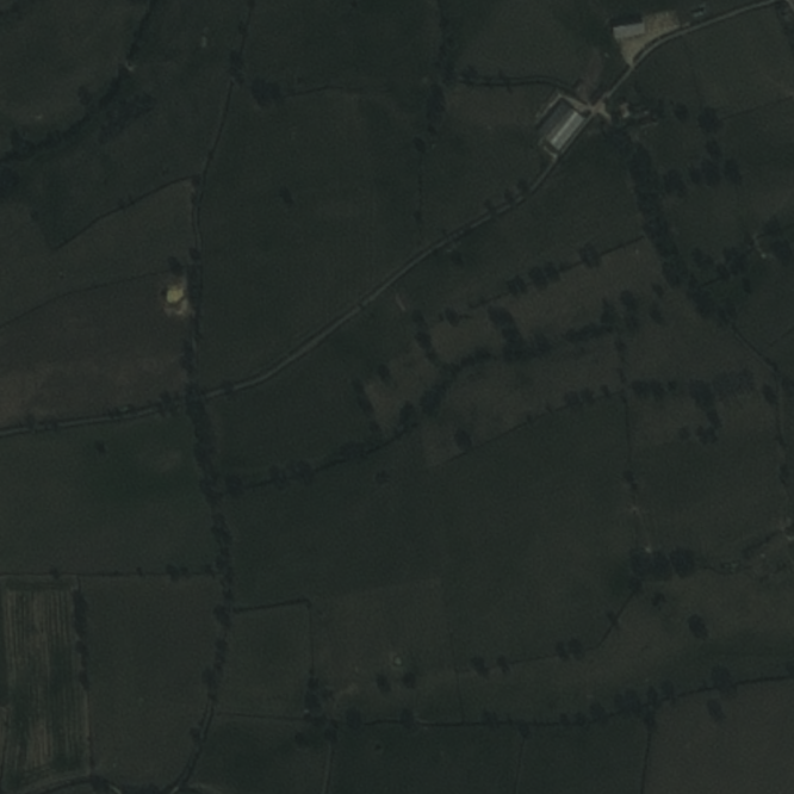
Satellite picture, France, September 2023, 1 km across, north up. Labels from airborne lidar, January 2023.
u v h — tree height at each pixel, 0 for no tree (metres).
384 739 0
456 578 0
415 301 0
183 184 0
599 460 0
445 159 0
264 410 0
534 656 0
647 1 0
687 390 0
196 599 0
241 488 16
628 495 0
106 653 0
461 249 0
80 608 15
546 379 0
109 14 0
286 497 0
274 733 0
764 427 0
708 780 0
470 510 0
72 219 0
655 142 0
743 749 0
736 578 0
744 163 0
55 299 0
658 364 0
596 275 0
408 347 0
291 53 0
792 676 15
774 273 0
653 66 0
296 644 0
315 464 0
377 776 0
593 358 0
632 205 0
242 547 0
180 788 8
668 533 0
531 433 0
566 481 0
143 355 0
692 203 0
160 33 0
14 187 15
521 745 0
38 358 0
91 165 0
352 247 0
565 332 0
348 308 0
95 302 0
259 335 0
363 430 0
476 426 0
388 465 0
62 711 0
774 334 0
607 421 0
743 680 0
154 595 0
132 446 0
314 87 0
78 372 0
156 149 0
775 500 0
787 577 0
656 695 13
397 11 0
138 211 0
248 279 0
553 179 0
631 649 0
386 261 0
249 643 0
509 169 0
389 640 0
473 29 0
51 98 0
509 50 0
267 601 0
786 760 0
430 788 0
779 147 0
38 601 0
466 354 0
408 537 0
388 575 0
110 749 0
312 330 0
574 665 0
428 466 0
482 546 0
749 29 0
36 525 0
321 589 0
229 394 15
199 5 0
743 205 0
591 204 0
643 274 0
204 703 0
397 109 0
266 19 0
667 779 0
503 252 0
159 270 0
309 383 0
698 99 0
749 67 0
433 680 0
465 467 0
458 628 0
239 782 0
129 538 0
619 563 0
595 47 0
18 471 0
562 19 0
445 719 0
